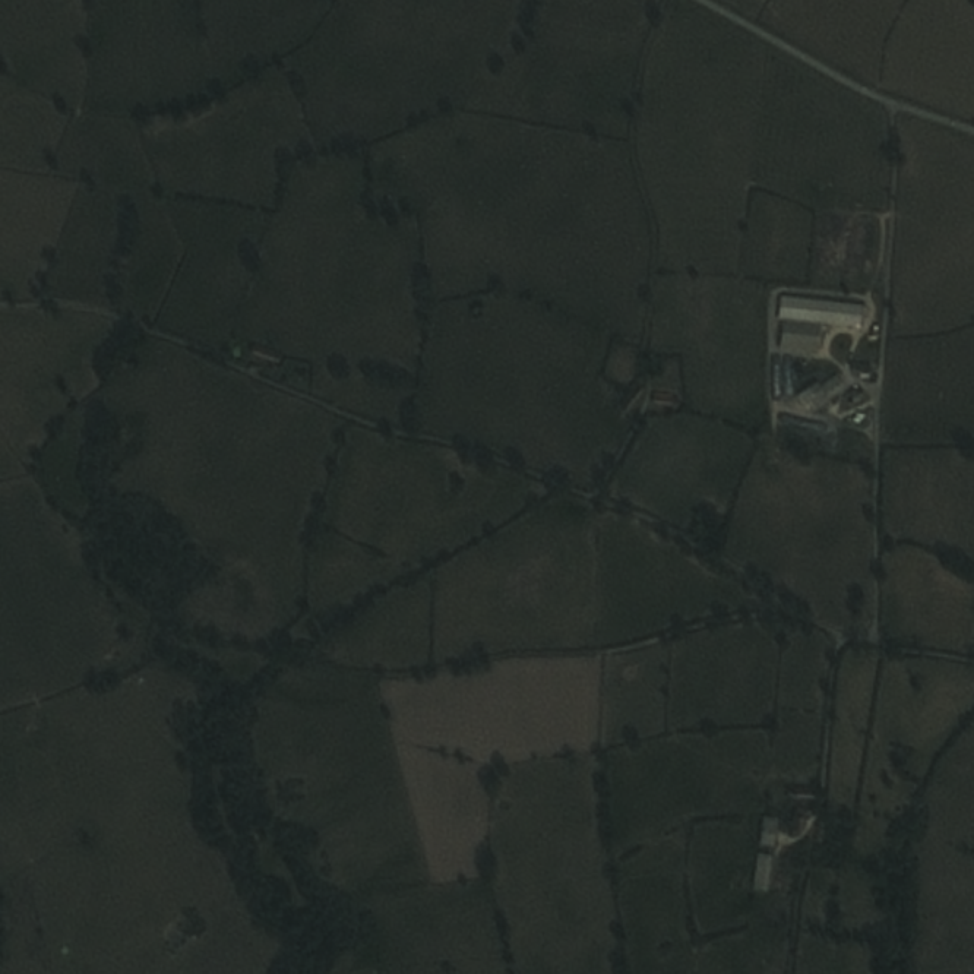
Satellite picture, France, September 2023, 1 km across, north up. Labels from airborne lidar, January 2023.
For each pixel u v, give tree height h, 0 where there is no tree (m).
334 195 0
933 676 0
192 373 0
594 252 0
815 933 16
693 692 0
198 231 0
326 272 0
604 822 13
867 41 0
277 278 0
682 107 0
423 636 0
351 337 0
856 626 0
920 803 8
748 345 0
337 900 7
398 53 0
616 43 0
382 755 0
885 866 17
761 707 0
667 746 0
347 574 0
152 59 0
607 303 0
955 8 0
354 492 0
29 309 0
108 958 0
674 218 0
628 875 0
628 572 0
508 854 0
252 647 13
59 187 0
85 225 0
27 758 0
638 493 0
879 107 0
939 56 0
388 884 0
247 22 0
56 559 0
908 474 0
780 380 0
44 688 0
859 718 0
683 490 0
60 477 0
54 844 0
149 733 0
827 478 0
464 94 0
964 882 0
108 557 13
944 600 0
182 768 13
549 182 0
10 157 0
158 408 0
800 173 0
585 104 0
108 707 0
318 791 0
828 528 0
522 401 0
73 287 0
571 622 0
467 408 0
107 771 0
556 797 0
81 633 0
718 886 0
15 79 0
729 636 0
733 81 0
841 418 0
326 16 0
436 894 0
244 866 10
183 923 0
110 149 0
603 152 0
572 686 0
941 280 0
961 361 0
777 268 0
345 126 0
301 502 0
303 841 16
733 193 0
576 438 0
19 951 0
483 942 0
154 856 0
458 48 0
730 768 0
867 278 0
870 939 20
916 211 0
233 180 0
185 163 0
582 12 0
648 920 0
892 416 0
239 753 13
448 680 0
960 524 0
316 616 0
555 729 0
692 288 0
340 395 0
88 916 0
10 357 0
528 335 0
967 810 0
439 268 0
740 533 0
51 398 0
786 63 0
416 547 0
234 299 0
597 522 0
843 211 0
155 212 0
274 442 0
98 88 0
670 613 0
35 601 0
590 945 0
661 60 0
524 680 0
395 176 0
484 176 0
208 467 0
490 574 0
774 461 0
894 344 0
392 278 0
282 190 9
